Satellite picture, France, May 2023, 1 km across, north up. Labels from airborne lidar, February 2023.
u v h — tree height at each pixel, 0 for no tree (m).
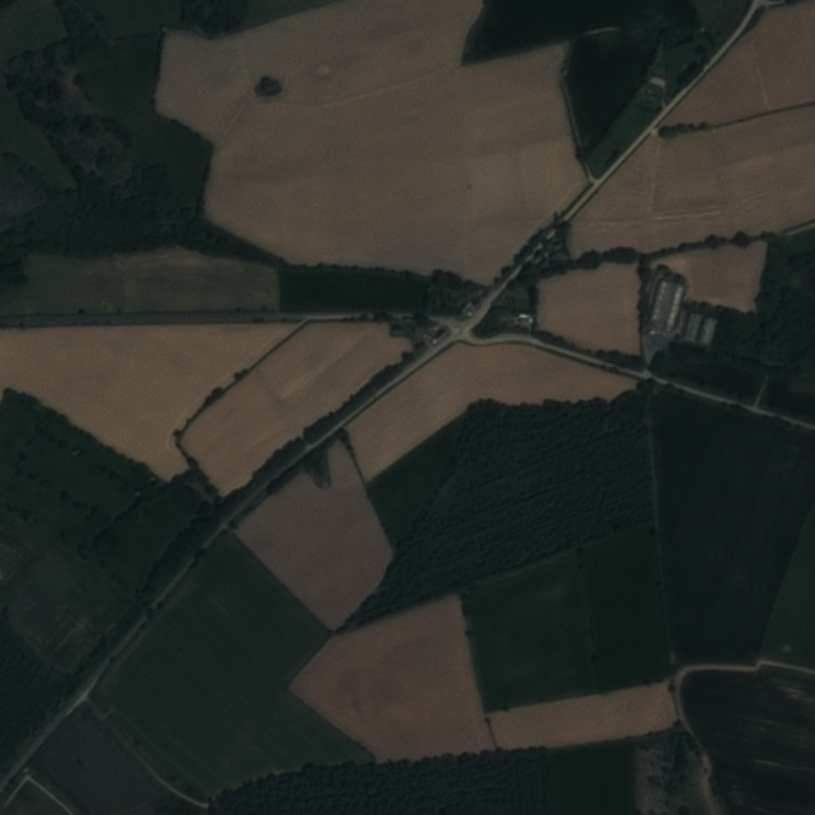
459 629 0
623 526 10
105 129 7
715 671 0
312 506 0
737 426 0
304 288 0
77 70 0
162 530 0
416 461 0
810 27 0
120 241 10
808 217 0
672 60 0
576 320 0
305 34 0
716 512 0
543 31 0
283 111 0
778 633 0
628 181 0
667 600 0
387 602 7
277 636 0
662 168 0
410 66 0
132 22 0
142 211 11
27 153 0
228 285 0
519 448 6
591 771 0
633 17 0
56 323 0
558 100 0
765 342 6
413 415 0
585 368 0
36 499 0
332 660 0
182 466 0
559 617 0
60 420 7
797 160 0
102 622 0
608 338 0
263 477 10
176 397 0
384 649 0
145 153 0
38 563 0
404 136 0
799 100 0
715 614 0
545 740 0
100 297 0
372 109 0
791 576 0
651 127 0
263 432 0
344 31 0
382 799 16
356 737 0
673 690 7
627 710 0
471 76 0
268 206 0
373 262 0
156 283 0
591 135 0
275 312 0
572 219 0
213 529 17
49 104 7
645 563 0
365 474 0
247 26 0
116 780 0
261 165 0
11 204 0
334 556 0
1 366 0
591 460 12
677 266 0
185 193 0
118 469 0
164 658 0
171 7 0
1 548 0
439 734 0
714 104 0
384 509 0
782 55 0
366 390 9
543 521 13
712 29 0
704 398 0
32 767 0
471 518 12
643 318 8
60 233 7
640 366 16
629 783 0
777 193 0
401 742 0
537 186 0
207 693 0
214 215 0
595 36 0
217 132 0
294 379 0
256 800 17
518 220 0
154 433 0
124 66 0
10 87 13
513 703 0
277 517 0
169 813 7
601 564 0
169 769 0
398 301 0
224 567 0
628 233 0
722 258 0
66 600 0
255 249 0
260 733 0
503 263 0
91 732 0
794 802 0
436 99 0
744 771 0
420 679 0
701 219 0
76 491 0
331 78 0
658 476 0
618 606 0
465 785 16
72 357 0
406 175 0
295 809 17
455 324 0
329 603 0
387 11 0
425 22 0
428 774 13
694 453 0
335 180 0
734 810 0
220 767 0
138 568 0
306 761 0
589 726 0
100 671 0
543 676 0
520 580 0
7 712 6
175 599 0
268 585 0
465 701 0
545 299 0
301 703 0
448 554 9
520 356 0
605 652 0
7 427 0
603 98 0
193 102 0
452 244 0
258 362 0
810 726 0
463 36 0
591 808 0
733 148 0
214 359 0
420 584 6
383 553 0
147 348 0
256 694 0
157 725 0
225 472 0
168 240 14
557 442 7
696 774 0
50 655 0
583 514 15
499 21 0
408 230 0
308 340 0
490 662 0
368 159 0
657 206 0
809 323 10
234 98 0
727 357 7
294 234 0
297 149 0
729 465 0
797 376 6
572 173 0
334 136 0
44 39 0
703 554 0
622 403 7
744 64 0
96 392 0
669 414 0
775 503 0
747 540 0
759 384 0
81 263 0
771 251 7
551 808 12
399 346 0
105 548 13
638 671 0
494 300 0
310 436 13
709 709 0
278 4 0
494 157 0
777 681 0
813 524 0
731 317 9
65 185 0
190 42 0
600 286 0
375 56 0
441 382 0
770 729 0
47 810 0
